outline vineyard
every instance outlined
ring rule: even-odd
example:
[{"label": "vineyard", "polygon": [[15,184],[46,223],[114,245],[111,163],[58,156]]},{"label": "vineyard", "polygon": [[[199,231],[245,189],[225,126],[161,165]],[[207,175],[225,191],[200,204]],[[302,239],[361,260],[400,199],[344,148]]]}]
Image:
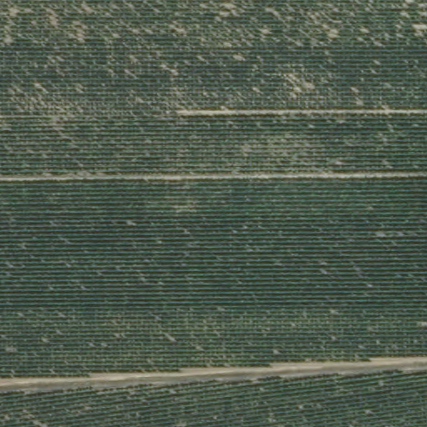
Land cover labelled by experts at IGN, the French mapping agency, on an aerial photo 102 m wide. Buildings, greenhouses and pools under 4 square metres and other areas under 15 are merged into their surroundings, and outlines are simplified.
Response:
[{"label": "vineyard", "polygon": [[0,0],[0,427],[427,427],[427,0]]}]

